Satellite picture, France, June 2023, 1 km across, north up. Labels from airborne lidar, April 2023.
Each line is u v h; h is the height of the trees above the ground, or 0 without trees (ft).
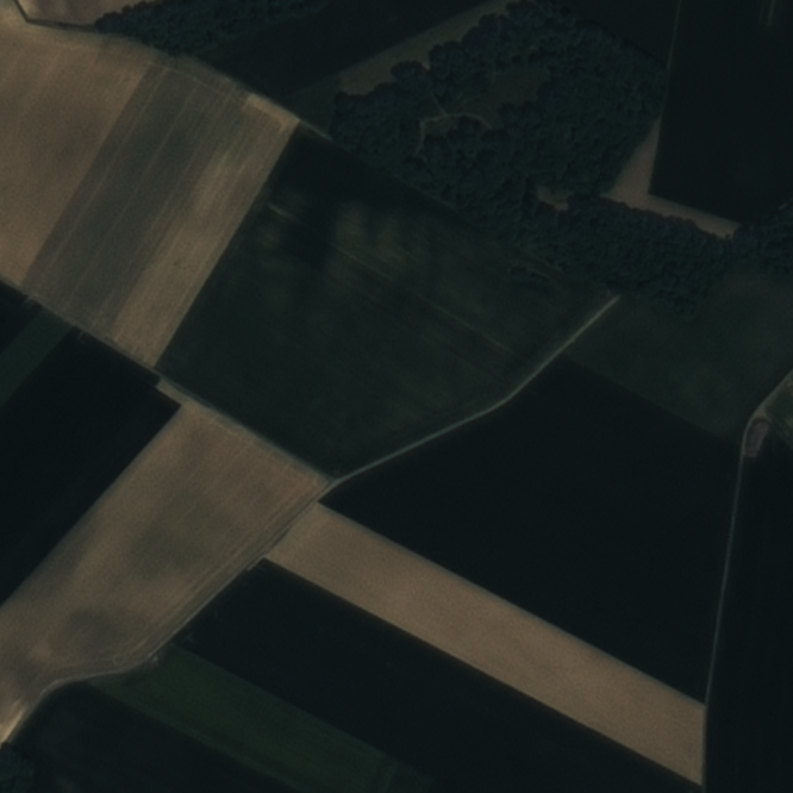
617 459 0
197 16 55
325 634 0
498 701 0
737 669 0
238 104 0
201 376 0
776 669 0
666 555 0
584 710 0
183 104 0
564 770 0
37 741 0
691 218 0
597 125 84
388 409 0
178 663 0
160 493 0
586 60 78
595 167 64
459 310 0
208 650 0
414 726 0
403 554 0
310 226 0
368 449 0
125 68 0
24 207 0
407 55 0
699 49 0
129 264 0
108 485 0
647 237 86
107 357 0
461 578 0
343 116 72
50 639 0
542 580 0
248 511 0
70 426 0
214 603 0
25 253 0
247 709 0
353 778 0
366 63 0
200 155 0
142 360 0
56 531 0
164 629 0
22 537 0
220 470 0
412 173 70
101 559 0
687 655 0
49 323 0
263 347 0
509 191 73
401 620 0
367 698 0
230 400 0
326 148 0
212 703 0
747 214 0
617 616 0
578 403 0
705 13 0
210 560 0
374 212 0
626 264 80
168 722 0
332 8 0
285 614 0
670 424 0
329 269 0
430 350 0
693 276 82
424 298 0
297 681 0
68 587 0
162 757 0
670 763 0
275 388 0
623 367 0
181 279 0
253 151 0
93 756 0
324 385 0
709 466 0
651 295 62
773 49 0
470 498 0
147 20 60
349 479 0
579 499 0
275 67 0
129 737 0
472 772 0
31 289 0
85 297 0
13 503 0
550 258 47
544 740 0
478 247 0
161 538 0
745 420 0
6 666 0
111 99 0
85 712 0
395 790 0
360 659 0
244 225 0
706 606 0
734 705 0
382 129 83
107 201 0
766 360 0
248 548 0
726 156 0
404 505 0
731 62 0
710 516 0
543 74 0
